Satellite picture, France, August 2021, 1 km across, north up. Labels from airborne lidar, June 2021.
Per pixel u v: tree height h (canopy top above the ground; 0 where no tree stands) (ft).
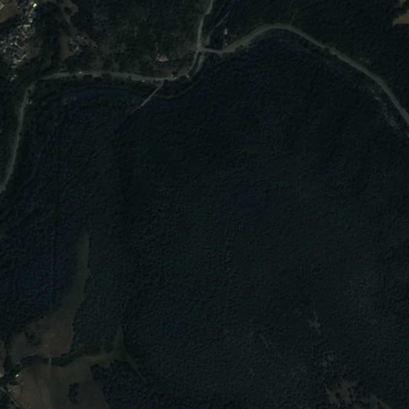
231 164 48
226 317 31
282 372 29
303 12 49
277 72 52
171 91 68
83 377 0
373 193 51
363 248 35
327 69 27
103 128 39
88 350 35
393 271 71
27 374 0
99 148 65
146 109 79
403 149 79
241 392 28
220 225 34
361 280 21
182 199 46
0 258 64
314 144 36
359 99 64
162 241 58
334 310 39
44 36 31
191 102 81
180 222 52
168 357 29
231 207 34
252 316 33
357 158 59
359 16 73
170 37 21
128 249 67
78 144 66
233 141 68
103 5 29
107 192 52
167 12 43
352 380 64
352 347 31
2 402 33
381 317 22
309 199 24
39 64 51
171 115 69
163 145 40
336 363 44
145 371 65
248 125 48
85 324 46
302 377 19
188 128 65
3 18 0
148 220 34
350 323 29
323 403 51
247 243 43
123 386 36
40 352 0
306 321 37
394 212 56
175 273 56
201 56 0
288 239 32
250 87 69
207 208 29
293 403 31
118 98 66
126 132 76
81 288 0
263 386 31
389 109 50
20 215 66
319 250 28
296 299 58
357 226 29
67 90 53
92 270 33
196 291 44
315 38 49
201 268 38
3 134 33
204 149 73
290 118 45
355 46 48
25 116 36
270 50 70
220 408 88
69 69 46
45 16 70
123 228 66
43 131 34
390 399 45
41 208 54
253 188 46
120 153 71
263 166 43
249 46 0
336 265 29
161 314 32
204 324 38
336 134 73
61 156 53
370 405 31
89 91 0
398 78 57
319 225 36
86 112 54
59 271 38
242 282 37
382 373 43
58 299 35
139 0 27
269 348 32
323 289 31
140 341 45
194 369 27
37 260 58
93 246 37
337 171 60
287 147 57
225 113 61
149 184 45
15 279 50
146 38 42
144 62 27
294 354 31
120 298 68
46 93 0
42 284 45
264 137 58
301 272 46
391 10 32
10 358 28
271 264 37
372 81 27
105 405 0
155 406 63
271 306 43
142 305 34
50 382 0
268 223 45
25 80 45
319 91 78
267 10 41
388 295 78
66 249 44
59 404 0
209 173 65
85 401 0
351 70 46
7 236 41
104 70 34
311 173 63
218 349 31
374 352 31
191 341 37
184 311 50
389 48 35
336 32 62
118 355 0
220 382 27
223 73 73
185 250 25
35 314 43
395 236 54
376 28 74
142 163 53
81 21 49
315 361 48
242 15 58
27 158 49
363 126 59
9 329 45
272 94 74
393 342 30
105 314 38
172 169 33
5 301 48
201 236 31
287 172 35
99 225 64
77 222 67
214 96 71
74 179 51
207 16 37
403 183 65
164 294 45
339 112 91
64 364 34
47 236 53
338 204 40
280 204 44
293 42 35
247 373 30
